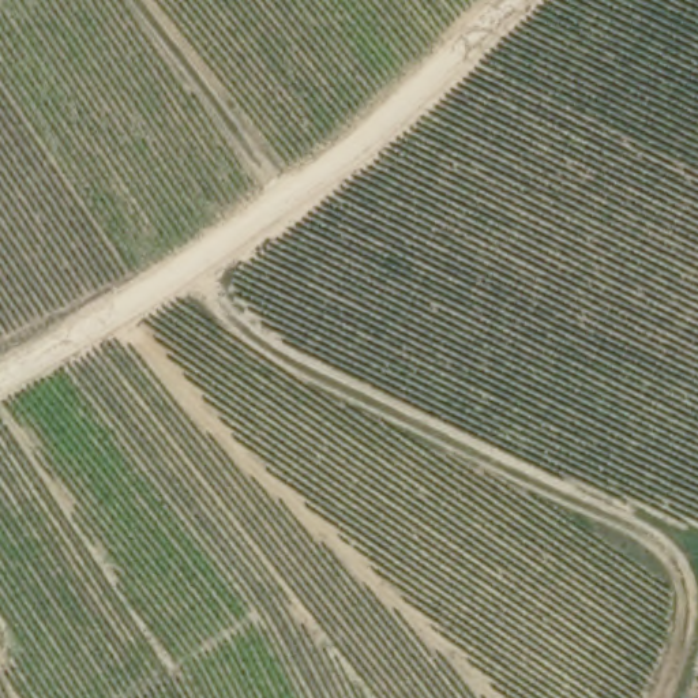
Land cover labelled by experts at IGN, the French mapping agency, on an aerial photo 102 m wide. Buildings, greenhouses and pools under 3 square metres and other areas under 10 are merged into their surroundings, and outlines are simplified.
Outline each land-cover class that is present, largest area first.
<instances>
[{"label":"vineyard","instance_id":"1","mask_svg":"<svg viewBox=\"0 0 698 698\"><path fill-rule=\"evenodd\" d=\"M474 0H0V360L14 349H22L44 338L60 322L71 319L104 294H112L115 286L134 281L142 270L164 262L185 243L196 240L204 229L234 215V207L240 202L256 199L270 180L289 175L294 161L316 158V145L338 142V134L346 125L354 128L357 112L374 101L379 90L398 85L406 76V71H412V65L434 55V46L442 41V33ZM221 289L237 311L256 314L262 319V327L278 333L297 352L316 357L324 365L346 376H354L553 477L586 483L603 491L605 496L622 502L627 499L635 513L646 510L676 529L698 532V0H545L526 22H521L510 35H504L499 46L491 49L458 87H453L428 115H423L409 134L387 145L371 166L346 180L333 196L314 207L286 234L264 240L256 248L254 259L226 267ZM145 327L153 330L155 344L166 349V357L183 371V376L196 390H202V401L218 412L221 423L232 431V436L267 466V472L275 480L300 494L305 499V507L330 526H335L341 540L354 545L360 556H365L374 564V573L384 583L398 589L412 608L428 616L434 622V630L444 641L455 643L469 657V665L488 676L491 687L504 698H638L643 693V682L657 660L660 646L668 638V624L676 619V592L663 562L635 540H630L638 529L635 524L613 513H605L589 502H581L564 491H556L513 466H504L286 357L259 335H254L245 324L237 335H232L204 308V303H199L196 297H177L158 314L145 316ZM0 698H483L474 695V690L455 671V665L442 652L431 649L398 611L387 608L365 583H360L352 575V570L335 556V551L327 543H319L281 499H273L259 485V480L248 477L213 434L196 425V420L177 404L169 387L155 376L147 360L131 344L101 341V346L87 352L79 363L65 360L49 376L35 379L25 390L0 401ZM673 698H698V635L693 633L690 657L684 660Z\"/></svg>","mask_w":698,"mask_h":698},{"label":"pervious surface","instance_id":"2","mask_svg":"<svg viewBox=\"0 0 698 698\"><path fill-rule=\"evenodd\" d=\"M545 0H474L442 33V41L434 46V55L412 65V71H406V76L398 85L379 90L374 101L357 112L354 128L346 125L338 134V142L316 145V158L294 161L289 175L270 180L256 199L240 202L234 207V215L204 229L196 240L185 243L164 262L142 270L134 281L115 286L112 294H104L71 319L60 322L44 338L22 349H14L0 360V401L25 390L35 379L49 376L65 360L79 363L87 352L101 346V341L131 344L147 360L155 376L169 387L177 404L196 420V425L213 434L248 477L259 480V485L273 499H281L319 543H327L335 551V556L352 570V575L360 583H365L387 608L398 611L431 649L442 652L455 665V671L474 690V695L483 698H504L491 687L488 676L469 665V657L455 643L444 641L434 630V622L428 616L412 608L398 589L384 583L374 573V564L365 556H360L354 545L341 540L335 526H330L305 507V499L300 494L275 480L267 472V466L232 436V431L221 423L218 412L202 401V390H196L183 376V371L166 357V349L155 344L153 330L145 327V316L158 314L177 297H196L199 303H204V308L232 335H237L245 324L254 335H259L286 357L504 466H513L556 491H564L581 502H589L605 513H613L635 524L638 529L630 540H635L663 562L676 592V619L668 624V638L660 646L657 660L643 682V693L638 698H673L684 660L690 657L693 633L698 635V581L684 551L660 529L641 521L635 513L627 499L622 502L605 496L603 491L586 483L553 477L354 376H346L324 365L316 357L297 352L278 333L262 327V319L256 314L237 311L221 289L226 267L254 259L256 248L264 240L286 234L314 207L333 196L346 180L371 166L387 145L409 134L423 115H428L453 87H458L491 49L499 46L504 35H510L521 22H526Z\"/></svg>","mask_w":698,"mask_h":698},{"label":"herbaceous vegetation","instance_id":"3","mask_svg":"<svg viewBox=\"0 0 698 698\"><path fill-rule=\"evenodd\" d=\"M641 521L660 529L684 551L698 581V532L676 529L646 510L635 513Z\"/></svg>","mask_w":698,"mask_h":698}]
</instances>
